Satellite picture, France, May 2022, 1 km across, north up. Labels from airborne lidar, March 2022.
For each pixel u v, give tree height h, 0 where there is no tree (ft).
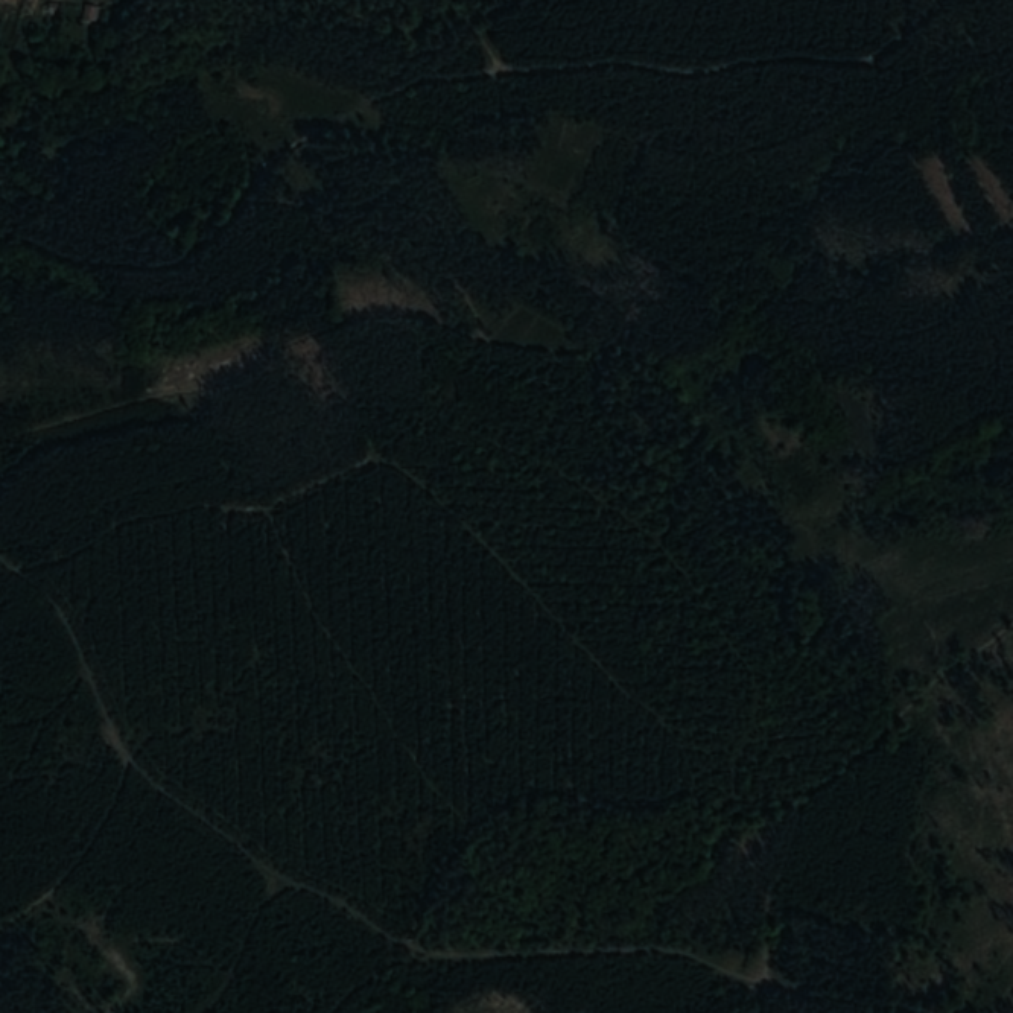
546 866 77
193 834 33
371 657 31
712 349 76
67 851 28
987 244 80
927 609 0
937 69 60
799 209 61
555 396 29
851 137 71
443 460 31
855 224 95
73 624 23
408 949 34
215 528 37
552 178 0
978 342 80
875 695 37
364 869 27
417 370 64
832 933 95
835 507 0
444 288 102
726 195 64
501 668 32
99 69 45
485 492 30
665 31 55
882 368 76
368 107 0
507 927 81
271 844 25
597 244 0
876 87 47
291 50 76
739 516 100
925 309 70
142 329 95
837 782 43
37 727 26
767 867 86
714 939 22
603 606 32
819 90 63
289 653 29
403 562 36
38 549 51
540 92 47
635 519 20
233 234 88
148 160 97
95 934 0
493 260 99
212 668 26
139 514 38
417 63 68
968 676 88
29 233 91
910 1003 106
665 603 34
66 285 80
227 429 68
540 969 44
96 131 78
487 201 0
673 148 58
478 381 41
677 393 86
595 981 36
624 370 98
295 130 0
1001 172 64
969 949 0
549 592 30
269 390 85
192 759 24
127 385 22
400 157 87
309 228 31
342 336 77
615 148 29
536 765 25
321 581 35
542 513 22
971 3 84
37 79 85
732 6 63
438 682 26
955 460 62
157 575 19
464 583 31
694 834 82
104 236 92
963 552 0
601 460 34
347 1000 31
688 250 57
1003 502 65
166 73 70
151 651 27
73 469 57
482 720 24
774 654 58
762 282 64
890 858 46
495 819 71
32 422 36
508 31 64
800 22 48
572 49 55
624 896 73
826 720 34
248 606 41
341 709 28
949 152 81
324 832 25
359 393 66
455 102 38
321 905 25
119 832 31
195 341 97
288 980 38
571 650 44
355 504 36
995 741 0
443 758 29
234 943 29
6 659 52
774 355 50
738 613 62
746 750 28
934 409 99
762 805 22
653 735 30
